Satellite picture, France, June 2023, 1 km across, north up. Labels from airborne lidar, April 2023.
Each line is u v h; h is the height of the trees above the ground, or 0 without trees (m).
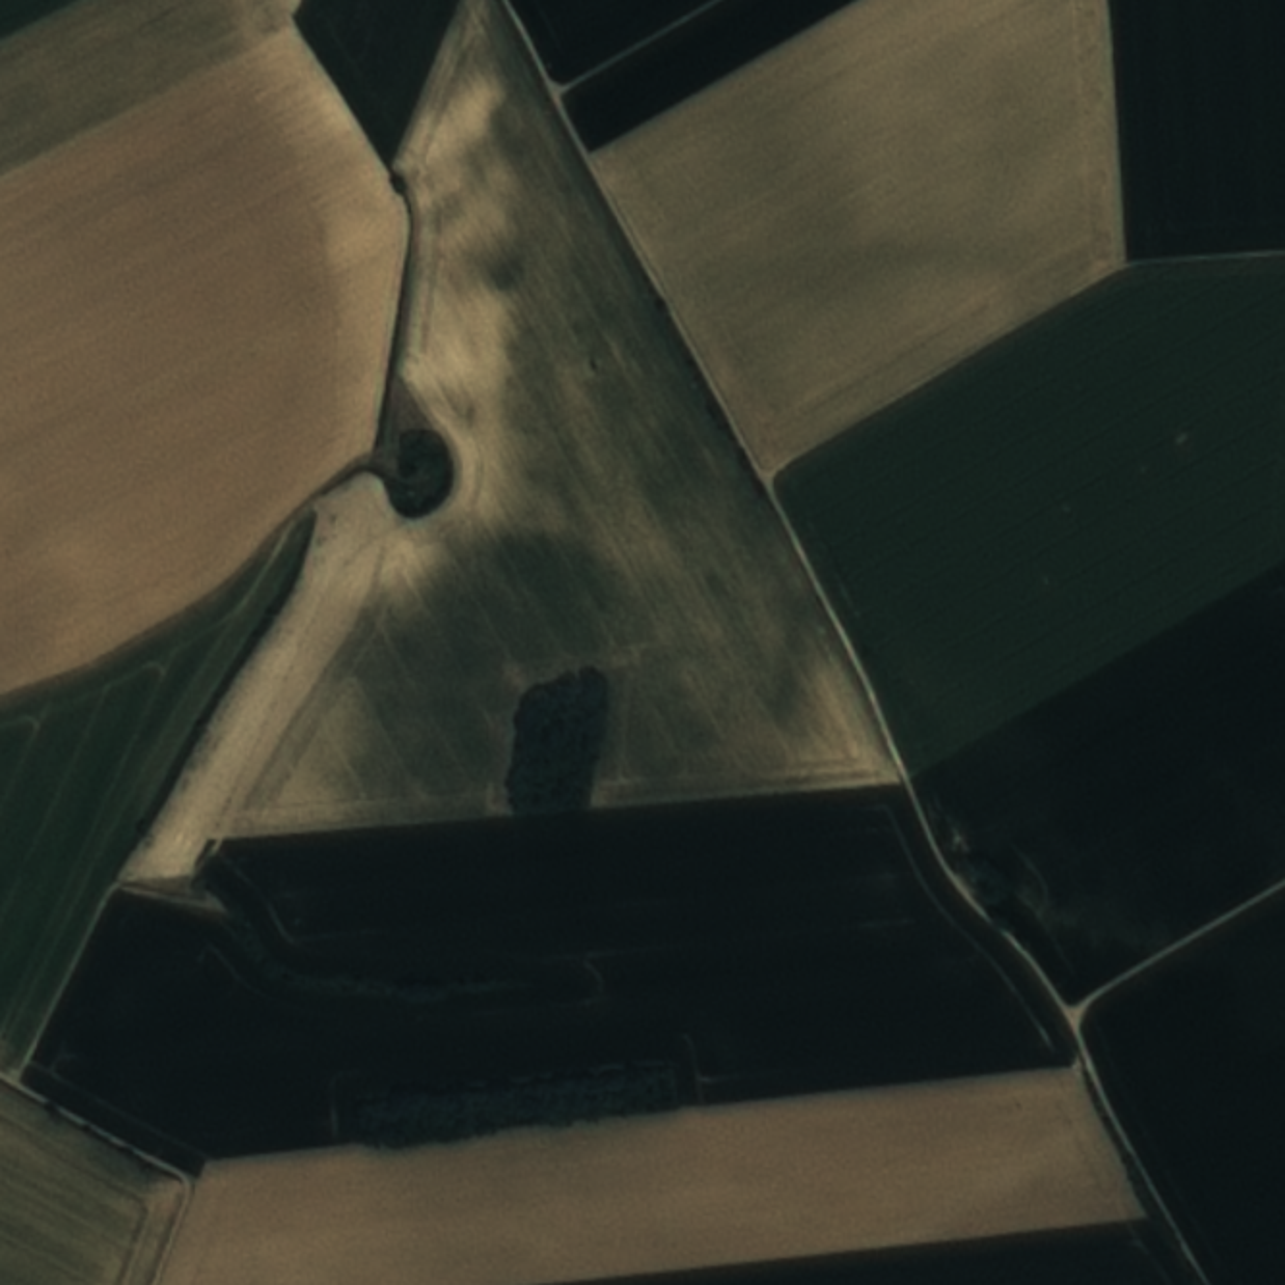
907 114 0
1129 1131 0
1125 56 0
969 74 0
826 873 0
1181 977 0
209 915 0
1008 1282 0
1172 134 0
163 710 0
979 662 0
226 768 0
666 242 0
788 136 0
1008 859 0
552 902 0
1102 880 0
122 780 0
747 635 0
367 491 0
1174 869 0
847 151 0
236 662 0
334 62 0
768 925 0
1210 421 0
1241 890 0
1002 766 0
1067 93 0
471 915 0
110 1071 0
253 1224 0
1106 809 0
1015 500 0
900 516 0
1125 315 0
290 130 0
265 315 0
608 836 0
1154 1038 0
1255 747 0
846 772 0
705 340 0
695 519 0
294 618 0
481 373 0
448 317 0
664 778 0
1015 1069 0
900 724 0
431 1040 0
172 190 0
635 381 0
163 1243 0
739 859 0
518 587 0
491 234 0
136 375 0
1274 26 0
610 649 0
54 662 0
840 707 0
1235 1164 0
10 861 0
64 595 0
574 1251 0
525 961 0
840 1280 0
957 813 0
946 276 0
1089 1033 0
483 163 0
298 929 0
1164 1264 0
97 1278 0
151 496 0
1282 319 0
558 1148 0
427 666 0
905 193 0
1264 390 0
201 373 0
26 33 0
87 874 0
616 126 0
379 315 0
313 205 0
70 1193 0
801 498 0
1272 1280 0
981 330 0
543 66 0
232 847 0
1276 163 0
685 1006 0
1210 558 0
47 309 0
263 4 0
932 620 0
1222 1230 0
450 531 0
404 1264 0
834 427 0
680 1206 0
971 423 0
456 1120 18
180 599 0
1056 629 0
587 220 0
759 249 0
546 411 0
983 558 0
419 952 0
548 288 0
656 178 0
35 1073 0
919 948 0
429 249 0
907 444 0
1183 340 0
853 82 0
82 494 0
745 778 0
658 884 0
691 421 0
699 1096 0
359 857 0
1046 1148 0
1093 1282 0
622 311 0
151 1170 7
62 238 0
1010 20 0
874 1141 0
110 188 0
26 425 0
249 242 0
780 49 0
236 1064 0
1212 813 0
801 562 0
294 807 0
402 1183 0
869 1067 0
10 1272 0
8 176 0
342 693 0
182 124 0
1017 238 0
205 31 0
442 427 0
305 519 0
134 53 0
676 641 0
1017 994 0
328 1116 0
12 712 0
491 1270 0
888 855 0
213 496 0
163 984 0
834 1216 0
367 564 0
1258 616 0
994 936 0
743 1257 0
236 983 0
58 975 0
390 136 0
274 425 0
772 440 0
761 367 0
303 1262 0
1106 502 0
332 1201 0
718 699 0
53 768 0
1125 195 0
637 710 0
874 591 0
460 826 0
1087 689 0
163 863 0
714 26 0
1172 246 0
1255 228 0
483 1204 0
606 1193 0
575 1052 0
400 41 0
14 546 0
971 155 0
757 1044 0
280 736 0
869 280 0
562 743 15
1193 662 0
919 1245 0
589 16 0
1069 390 0
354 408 0
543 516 0
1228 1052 0
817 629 0
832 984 0
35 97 0
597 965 0
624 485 0
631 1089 10
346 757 0
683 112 0
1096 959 0
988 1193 0
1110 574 0
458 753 0
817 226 0
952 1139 0
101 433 0
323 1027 0
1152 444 0
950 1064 0
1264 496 0
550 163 0
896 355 0
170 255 0
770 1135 0
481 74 0
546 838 0
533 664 0
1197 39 0
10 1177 0
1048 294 0
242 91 0
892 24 0
